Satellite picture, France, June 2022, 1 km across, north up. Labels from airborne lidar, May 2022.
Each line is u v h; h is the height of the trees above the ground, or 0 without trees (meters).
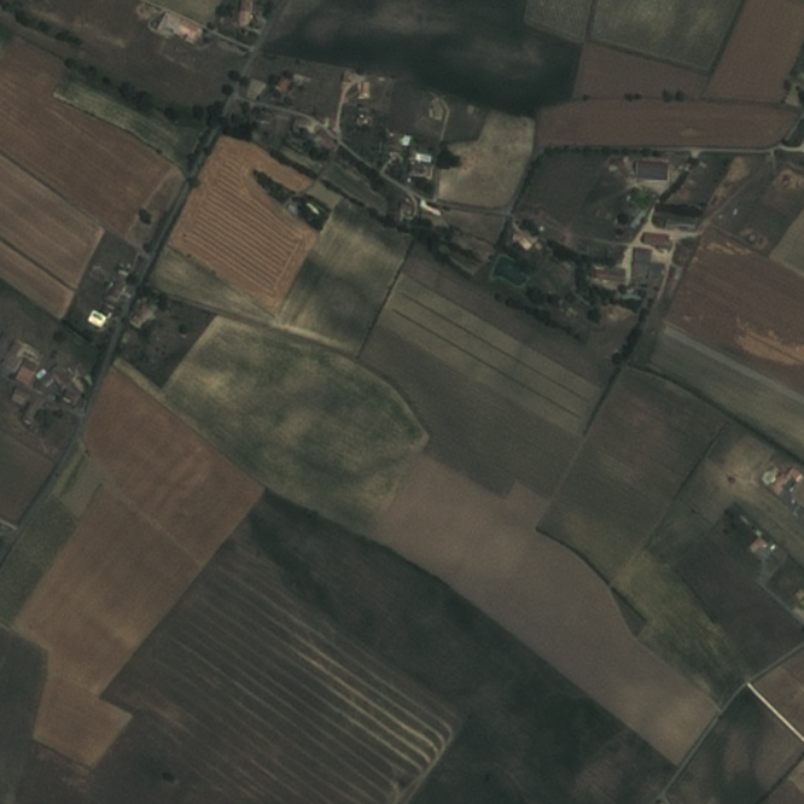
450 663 0
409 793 0
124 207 0
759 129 0
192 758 0
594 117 0
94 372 8
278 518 0
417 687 0
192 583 0
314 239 0
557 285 0
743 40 0
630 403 0
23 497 0
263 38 0
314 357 0
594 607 0
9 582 0
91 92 0
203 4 0
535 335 0
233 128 12
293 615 0
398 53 0
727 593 0
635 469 0
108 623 0
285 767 0
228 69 0
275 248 0
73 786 0
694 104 0
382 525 0
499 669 0
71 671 0
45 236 0
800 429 0
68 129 0
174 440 0
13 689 0
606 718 0
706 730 0
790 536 0
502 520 0
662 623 0
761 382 0
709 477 0
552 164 0
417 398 0
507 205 0
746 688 0
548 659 0
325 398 0
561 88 0
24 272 0
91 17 0
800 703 0
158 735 0
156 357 0
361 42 0
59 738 0
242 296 0
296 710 0
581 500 0
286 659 0
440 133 0
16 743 0
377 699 0
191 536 0
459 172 0
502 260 0
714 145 0
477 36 0
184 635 0
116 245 0
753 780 0
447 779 0
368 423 0
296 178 0
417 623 0
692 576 0
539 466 0
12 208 0
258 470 0
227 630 0
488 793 0
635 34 0
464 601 0
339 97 0
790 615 0
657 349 0
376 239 0
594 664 0
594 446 0
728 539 0
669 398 0
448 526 0
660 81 0
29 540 0
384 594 0
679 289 0
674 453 0
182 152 0
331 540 0
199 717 0
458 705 0
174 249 0
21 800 0
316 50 0
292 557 0
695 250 0
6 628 0
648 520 0
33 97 0
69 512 0
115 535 0
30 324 0
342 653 0
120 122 0
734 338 0
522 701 0
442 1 0
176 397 0
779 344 0
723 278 0
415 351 0
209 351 0
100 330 0
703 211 10
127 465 0
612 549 0
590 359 0
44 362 0
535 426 0
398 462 0
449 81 0
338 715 0
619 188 0
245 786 0
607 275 0
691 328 0
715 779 0
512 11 0
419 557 0
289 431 0
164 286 0
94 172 0
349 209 0
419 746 0
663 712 0
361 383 0
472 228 0
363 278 0
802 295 0
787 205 0
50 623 0
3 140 0
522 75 0
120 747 0
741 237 0
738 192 0
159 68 0
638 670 0
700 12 0
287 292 0
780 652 0
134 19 0
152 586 0
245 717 0
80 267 0
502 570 0
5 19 0
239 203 0
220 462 0
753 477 0
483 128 0
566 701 0
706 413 0
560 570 0
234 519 0
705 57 0
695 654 0
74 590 0
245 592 0
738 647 0
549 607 0
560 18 0
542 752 0
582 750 0
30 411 0
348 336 0
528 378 0
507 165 0
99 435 0
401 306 0
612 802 0
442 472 0
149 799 0
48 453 0
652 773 0
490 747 0
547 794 0
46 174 0
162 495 0
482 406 0
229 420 0
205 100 0
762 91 0
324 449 0
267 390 0
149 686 0
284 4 0
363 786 0
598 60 0
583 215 0
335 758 0
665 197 9
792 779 0
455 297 0
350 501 0
